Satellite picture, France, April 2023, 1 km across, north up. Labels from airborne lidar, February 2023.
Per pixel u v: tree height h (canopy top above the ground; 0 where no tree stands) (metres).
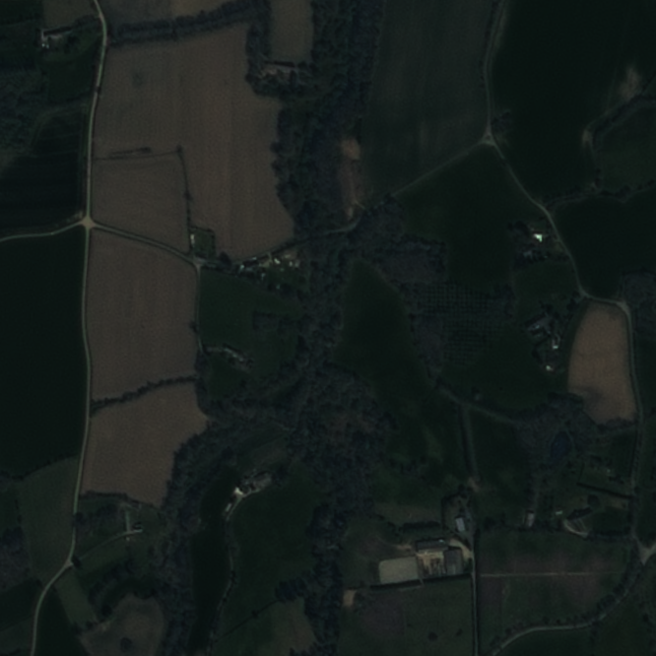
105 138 0
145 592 0
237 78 0
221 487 0
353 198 0
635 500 11
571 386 0
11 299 0
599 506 12
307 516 0
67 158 0
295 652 0
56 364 0
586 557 0
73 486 0
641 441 7
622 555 0
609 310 0
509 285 0
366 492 13
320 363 6
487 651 0
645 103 10
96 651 0
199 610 0
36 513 0
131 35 18
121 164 0
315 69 15
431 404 0
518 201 0
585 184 0
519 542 0
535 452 12
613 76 0
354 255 16
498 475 0
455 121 0
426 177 0
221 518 0
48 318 0
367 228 20
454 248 0
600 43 0
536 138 0
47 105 13
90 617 0
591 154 0
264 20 15
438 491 0
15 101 9
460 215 0
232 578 10
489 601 0
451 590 0
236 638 0
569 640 0
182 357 0
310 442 12
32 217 0
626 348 0
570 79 0
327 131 30
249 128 0
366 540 0
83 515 0
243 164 0
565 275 0
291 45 0
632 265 0
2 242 0
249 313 0
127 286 0
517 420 22
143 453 0
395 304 0
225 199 0
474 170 0
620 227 0
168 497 12
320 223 11
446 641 0
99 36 6
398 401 0
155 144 0
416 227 0
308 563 0
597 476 0
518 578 0
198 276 0
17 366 0
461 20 0
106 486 0
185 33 17
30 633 0
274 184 0
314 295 18
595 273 0
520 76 0
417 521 0
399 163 0
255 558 0
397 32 0
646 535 0
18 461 0
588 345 0
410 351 0
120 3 0
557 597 0
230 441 10
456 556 0
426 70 0
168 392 0
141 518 0
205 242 0
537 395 0
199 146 0
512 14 0
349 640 0
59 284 0
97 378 0
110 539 0
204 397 18
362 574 0
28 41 0
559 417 17
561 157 0
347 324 0
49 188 0
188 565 14
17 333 0
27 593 0
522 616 0
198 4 0
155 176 0
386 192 0
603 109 0
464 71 0
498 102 0
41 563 0
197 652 0
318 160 30
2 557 21
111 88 0
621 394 0
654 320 11
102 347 0
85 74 0
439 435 0
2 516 0
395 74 0
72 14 0
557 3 0
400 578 0
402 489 0
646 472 0
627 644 0
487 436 0
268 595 0
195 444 17
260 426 12
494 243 0
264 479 0
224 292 0
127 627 0
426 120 0
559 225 0
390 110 0
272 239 0
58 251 0
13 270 0
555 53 0
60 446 0
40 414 0
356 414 10
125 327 0
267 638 0
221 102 0
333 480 27
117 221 0
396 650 0
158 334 0
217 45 0
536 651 0
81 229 0
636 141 0
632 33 0
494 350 0
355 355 0
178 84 0
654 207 0
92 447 0
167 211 0
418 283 10
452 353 11
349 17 15
